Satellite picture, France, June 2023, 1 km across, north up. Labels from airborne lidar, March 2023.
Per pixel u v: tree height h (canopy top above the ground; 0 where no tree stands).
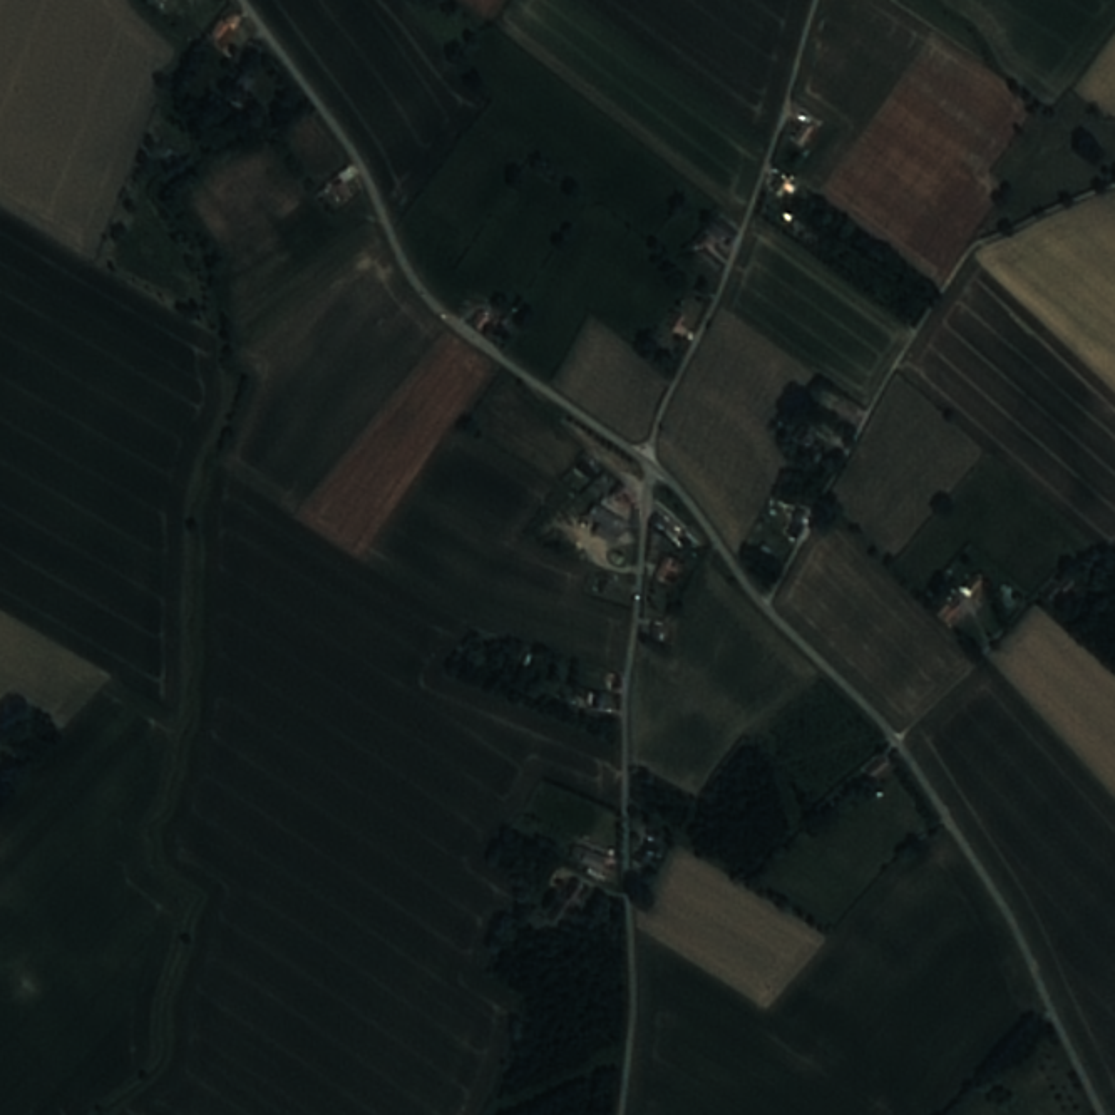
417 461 0
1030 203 0
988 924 0
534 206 0
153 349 0
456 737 0
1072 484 0
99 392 0
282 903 0
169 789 0
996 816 0
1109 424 0
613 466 0
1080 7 0
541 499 0
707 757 0
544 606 0
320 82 0
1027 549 0
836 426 11
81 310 0
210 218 0
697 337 0
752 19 0
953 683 0
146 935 0
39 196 0
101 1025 0
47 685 0
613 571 0
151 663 0
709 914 0
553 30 0
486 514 0
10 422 0
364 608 0
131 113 0
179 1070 0
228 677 0
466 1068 0
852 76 0
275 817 0
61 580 0
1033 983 0
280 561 0
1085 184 0
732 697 0
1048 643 0
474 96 0
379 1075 0
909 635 0
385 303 0
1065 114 0
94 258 0
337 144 0
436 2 13
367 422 0
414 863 0
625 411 0
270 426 0
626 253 0
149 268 0
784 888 0
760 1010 0
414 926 0
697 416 0
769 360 0
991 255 0
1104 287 0
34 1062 0
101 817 0
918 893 0
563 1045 14
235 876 0
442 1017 0
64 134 0
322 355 0
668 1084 0
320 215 0
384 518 0
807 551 0
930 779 0
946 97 0
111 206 0
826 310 0
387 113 0
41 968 0
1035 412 0
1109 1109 0
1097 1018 0
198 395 0
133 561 0
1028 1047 12
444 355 0
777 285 0
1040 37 0
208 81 0
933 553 0
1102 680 0
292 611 0
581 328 0
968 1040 0
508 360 0
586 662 0
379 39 0
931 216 0
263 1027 0
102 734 0
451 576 0
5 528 0
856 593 0
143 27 0
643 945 0
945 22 0
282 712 0
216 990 0
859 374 0
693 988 0
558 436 0
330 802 0
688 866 0
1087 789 0
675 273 16
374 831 0
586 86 0
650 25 0
